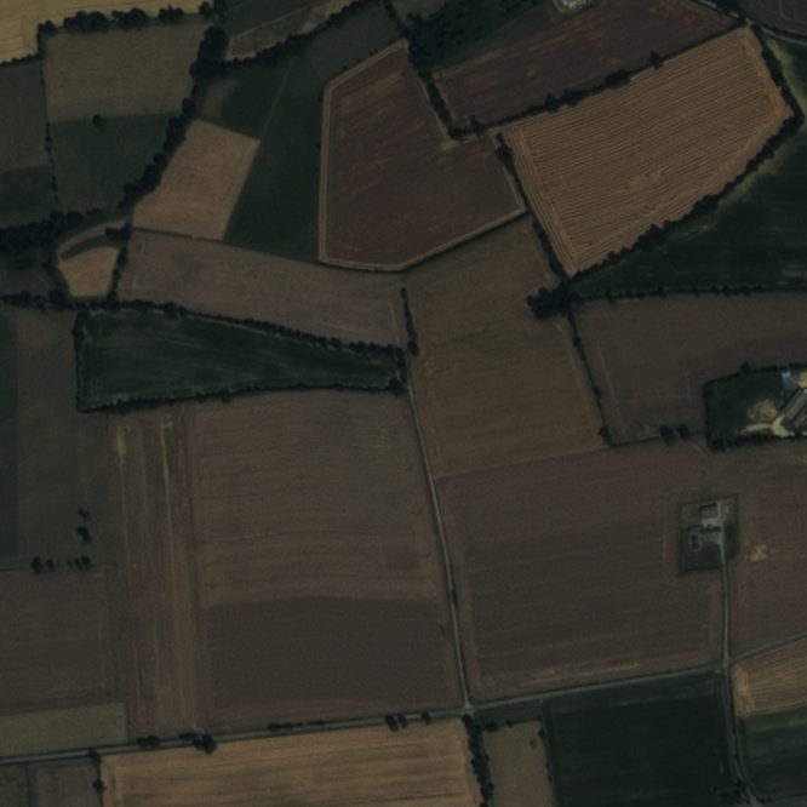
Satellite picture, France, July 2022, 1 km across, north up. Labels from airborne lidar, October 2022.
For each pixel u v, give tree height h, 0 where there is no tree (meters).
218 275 0
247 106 0
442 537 0
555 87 0
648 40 0
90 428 0
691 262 0
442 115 9
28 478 0
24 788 0
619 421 0
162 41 0
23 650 0
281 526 0
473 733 10
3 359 0
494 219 0
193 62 0
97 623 0
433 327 0
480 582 0
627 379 0
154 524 0
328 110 0
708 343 0
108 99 0
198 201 0
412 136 0
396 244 0
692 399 0
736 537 0
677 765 0
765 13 0
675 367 0
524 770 0
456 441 0
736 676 0
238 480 0
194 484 0
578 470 0
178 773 0
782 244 0
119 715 0
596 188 0
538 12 0
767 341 0
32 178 0
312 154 0
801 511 0
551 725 0
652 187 0
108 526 0
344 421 0
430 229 0
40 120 0
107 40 0
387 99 0
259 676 0
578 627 0
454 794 0
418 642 0
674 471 0
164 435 0
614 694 0
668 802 0
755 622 0
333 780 0
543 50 0
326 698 0
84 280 0
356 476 0
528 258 0
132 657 0
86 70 0
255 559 0
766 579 0
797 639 0
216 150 0
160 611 0
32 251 19
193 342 0
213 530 0
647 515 0
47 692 0
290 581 0
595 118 0
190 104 15
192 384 0
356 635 0
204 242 0
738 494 0
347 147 0
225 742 0
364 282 0
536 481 0
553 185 0
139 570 0
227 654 0
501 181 0
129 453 0
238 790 0
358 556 0
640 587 0
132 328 0
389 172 0
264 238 0
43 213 0
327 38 0
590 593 0
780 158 0
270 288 0
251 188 0
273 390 5
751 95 0
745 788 10
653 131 0
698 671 0
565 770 0
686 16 0
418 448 0
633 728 0
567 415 0
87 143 0
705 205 11
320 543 0
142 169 0
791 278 0
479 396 0
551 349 0
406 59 0
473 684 0
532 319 0
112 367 0
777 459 0
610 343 0
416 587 0
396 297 0
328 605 0
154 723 0
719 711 0
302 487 0
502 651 0
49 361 0
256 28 0
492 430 0
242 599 0
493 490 0
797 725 0
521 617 0
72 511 0
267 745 0
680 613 0
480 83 0
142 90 0
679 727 0
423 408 0
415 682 0
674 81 0
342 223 0
